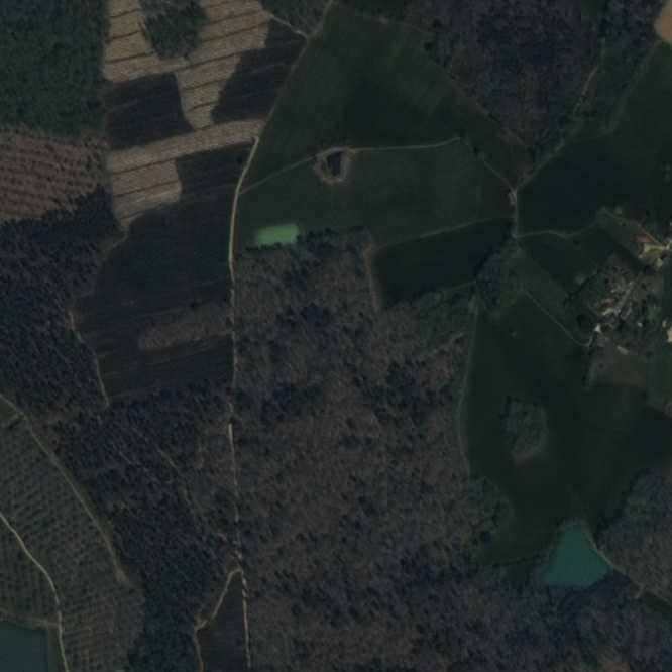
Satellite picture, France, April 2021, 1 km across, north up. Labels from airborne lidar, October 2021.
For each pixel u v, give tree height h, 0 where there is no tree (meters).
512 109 10
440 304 19
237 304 15
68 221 0
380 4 0
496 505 17
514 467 0
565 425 0
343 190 0
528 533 0
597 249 0
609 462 0
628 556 23
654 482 17
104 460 23
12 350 23
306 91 0
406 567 16
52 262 21
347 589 10
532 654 20
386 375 12
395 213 0
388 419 22
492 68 8
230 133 0
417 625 20
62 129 0
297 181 0
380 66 0
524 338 0
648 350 13
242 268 13
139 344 11
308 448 9
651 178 0
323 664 14
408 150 0
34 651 0
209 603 24
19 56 23
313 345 11
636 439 0
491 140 0
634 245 0
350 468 12
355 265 17
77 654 10
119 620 13
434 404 25
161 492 21
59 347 21
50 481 15
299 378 9
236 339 16
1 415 8
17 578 6
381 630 6
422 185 0
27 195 0
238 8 0
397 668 6
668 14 0
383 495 18
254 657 17
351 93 0
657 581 23
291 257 16
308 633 0
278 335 14
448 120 0
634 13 8
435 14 7
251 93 6
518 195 0
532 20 6
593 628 21
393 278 0
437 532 19
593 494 0
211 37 0
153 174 0
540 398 0
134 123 6
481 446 0
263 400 14
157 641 22
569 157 0
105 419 21
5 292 25
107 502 16
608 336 17
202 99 0
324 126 0
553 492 0
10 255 21
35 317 24
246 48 0
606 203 0
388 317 16
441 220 0
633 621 25
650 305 9
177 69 0
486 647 14
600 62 10
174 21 21
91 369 24
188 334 14
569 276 0
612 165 0
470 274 0
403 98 0
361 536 9
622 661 14
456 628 9
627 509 17
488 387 0
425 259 0
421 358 18
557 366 0
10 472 9
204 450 16
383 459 17
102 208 0
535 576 13
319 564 11
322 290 14
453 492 16
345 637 13
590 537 0
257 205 0
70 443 22
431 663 9
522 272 0
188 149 0
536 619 15
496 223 0
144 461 19
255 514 18
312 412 13
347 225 0
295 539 12
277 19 23
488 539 0
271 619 17
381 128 0
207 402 22
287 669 11
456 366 20
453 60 15
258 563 15
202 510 17
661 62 0
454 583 25
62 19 22
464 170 0
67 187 0
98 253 20
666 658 15
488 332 0
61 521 11
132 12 0
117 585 14
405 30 0
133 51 0
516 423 21
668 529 16
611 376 0
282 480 14
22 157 0
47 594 8
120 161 0
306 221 0
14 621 0
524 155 0
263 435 7
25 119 25
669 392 0
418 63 0
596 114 10
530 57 8
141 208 0
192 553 13
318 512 17
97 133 0
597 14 0
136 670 22
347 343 13
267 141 0
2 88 24
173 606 24
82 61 16
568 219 0
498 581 15
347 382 11
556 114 7
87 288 23
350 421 15
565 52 6
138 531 23
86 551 9
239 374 16
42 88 21
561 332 0
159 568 25
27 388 22
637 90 0
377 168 0
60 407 24
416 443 17
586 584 0
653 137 0
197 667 19
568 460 0
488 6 8
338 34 0
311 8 21
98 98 17
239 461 15
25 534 8
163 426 10
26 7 18
